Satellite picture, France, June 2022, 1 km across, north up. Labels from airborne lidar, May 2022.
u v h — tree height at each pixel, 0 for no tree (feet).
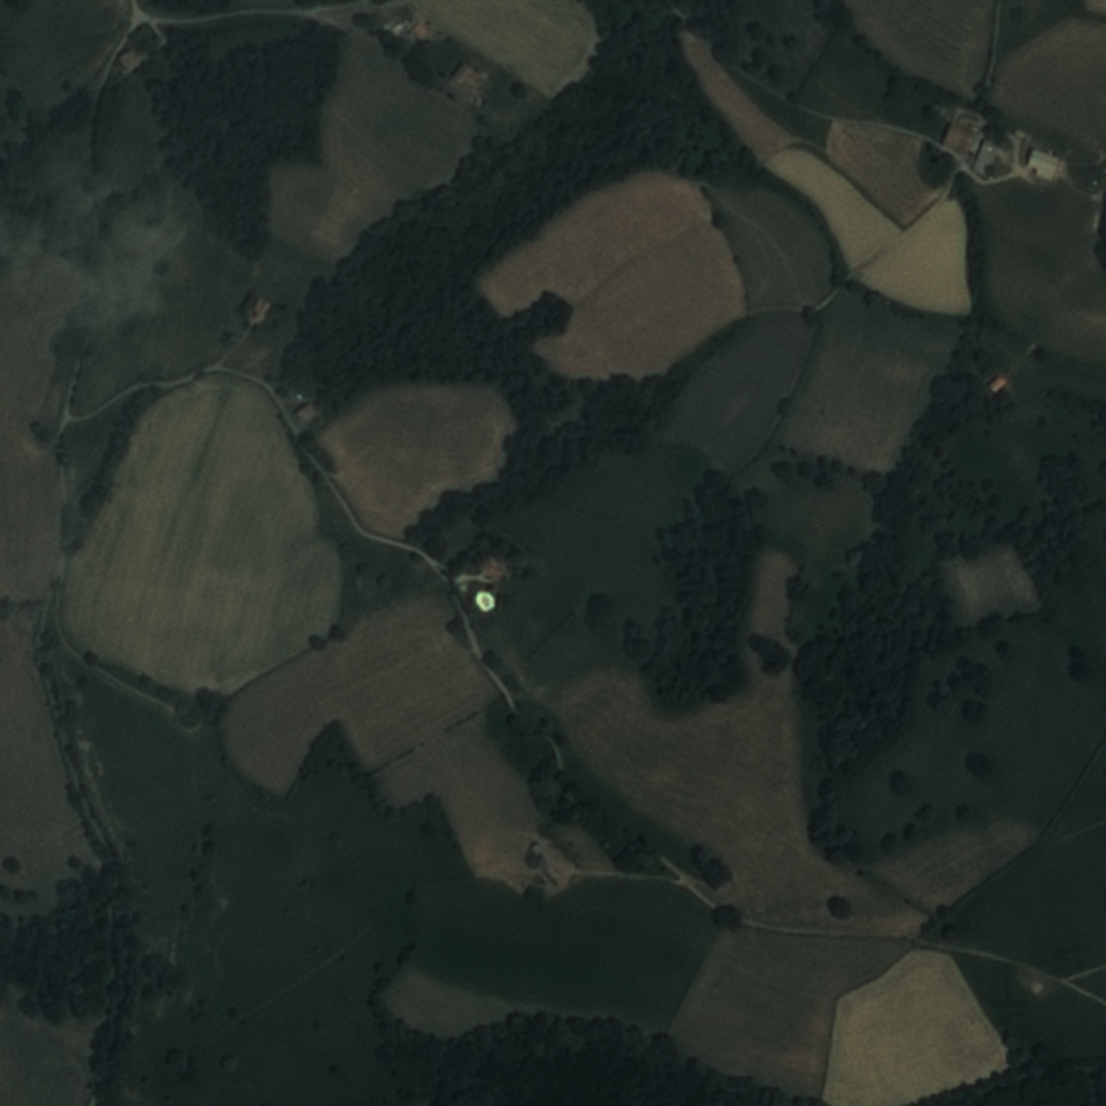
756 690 0
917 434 22
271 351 0
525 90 51
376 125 0
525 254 0
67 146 0
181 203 0
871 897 0
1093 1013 0
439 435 0
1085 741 0
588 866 0
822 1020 0
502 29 0
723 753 0
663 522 0
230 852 0
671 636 47
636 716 0
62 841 0
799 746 0
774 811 0
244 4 0
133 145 0
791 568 0
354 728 0
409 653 0
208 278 0
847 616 51
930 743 0
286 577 0
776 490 0
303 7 49
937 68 0
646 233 0
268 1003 0
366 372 42
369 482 0
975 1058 0
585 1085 65
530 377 65
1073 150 0
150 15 0
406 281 74
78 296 0
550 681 0
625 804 0
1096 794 0
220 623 0
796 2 0
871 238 0
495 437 0
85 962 66
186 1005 0
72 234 43
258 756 0
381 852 0
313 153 19
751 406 0
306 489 0
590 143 28
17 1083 0
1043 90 0
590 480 0
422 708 0
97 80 0
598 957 0
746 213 0
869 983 0
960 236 0
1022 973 0
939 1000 0
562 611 0
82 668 0
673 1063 56
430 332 30
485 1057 35
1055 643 0
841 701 59
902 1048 0
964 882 0
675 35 44
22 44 0
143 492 0
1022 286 0
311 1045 0
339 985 0
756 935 0
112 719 0
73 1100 0
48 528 0
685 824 0
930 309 0
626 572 0
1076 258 0
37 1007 61
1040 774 0
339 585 0
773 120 0
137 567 0
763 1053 0
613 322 0
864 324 0
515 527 0
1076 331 0
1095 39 0
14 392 0
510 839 0
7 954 74
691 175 31
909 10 0
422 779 0
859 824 0
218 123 47
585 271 0
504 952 0
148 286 0
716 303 0
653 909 0
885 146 0
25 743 0
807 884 0
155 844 0
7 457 0
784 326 0
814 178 0
